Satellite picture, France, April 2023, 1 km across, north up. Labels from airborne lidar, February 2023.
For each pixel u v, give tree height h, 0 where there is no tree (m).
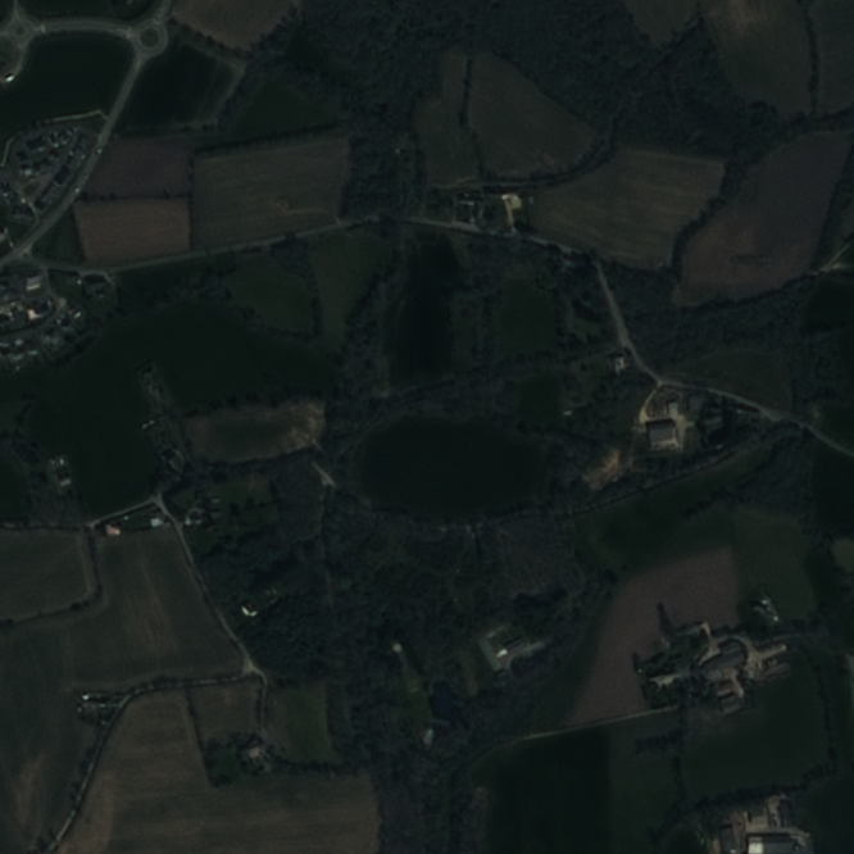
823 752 0
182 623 0
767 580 0
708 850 0
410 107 10
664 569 0
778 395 0
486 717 19
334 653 24
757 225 0
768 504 11
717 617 0
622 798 0
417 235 0
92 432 0
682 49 13
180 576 0
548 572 10
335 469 9
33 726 0
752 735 0
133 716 0
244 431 0
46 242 0
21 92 0
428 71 9
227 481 13
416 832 21
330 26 18
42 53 0
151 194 0
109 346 0
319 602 16
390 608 10
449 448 0
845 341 0
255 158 0
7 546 0
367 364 16
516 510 7
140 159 0
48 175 0
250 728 0
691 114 6
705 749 0
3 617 0
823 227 6
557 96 10
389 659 21
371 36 11
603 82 15
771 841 0
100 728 9
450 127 0
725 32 0
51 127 6
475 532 12
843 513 0
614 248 0
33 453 9
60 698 0
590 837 0
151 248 0
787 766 0
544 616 10
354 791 0
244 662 0
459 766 9
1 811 0
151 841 0
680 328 9
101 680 0
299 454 11
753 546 0
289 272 9
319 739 0
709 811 15
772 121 12
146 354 0
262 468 12
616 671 0
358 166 20
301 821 0
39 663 0
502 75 0
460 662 0
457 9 11
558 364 13
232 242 0
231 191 0
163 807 0
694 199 0
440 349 0
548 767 0
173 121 0
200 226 0
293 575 14
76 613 10
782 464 10
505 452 0
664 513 0
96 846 0
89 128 0
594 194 0
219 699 0
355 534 17
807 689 0
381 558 0
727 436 11
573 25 12
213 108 0
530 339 0
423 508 0
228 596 11
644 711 0
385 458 0
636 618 0
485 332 9
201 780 0
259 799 0
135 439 0
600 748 0
